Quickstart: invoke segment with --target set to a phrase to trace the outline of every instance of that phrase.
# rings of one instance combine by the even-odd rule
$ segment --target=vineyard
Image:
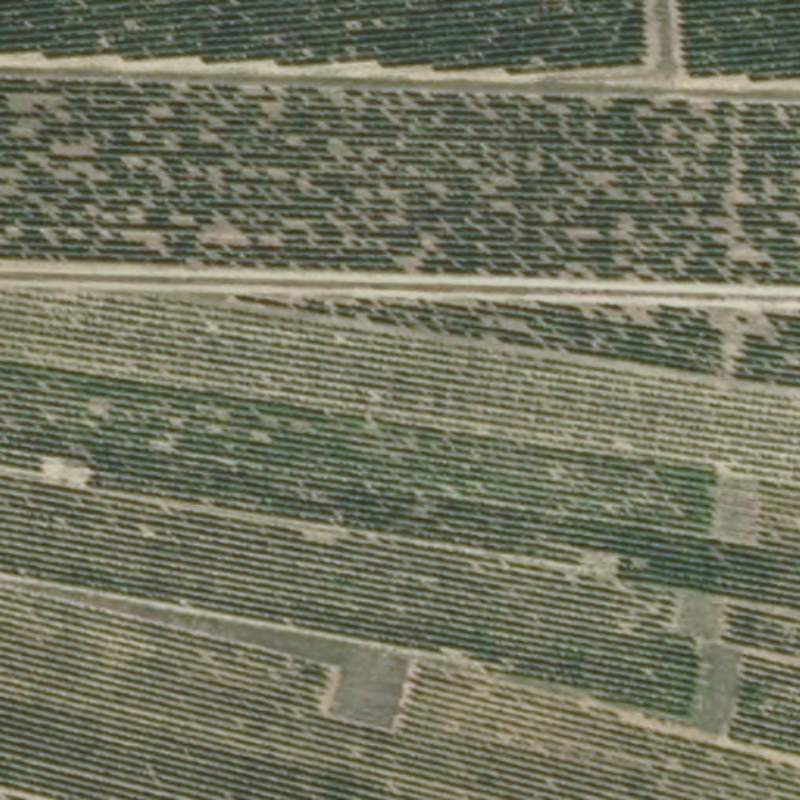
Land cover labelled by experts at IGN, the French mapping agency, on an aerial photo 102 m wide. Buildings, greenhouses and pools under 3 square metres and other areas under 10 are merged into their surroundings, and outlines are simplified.
[[[122,81],[0,78],[0,259],[69,259],[134,266],[184,266],[191,259],[216,269],[350,269],[394,275],[481,272],[525,278],[563,275],[606,281],[634,278],[709,284],[756,281],[800,288],[800,106],[788,106],[788,122],[778,122],[772,106],[759,103],[747,109],[716,103],[713,109],[694,109],[681,100],[663,106],[647,97],[628,97],[600,109],[584,103],[581,97],[559,94],[547,94],[534,103],[528,97],[481,100],[475,94],[466,94],[459,100],[456,94],[425,97],[419,91],[406,91],[416,109],[403,109],[394,91],[372,91],[366,109],[353,109],[334,106],[322,91],[309,84],[294,84],[288,88],[284,113],[275,116],[263,113],[263,106],[275,100],[275,94],[259,94],[259,84],[191,84],[181,94],[181,100],[175,100],[172,84],[163,81],[144,81],[128,88]]]
[[[747,75],[753,81],[800,78],[800,0],[681,0],[688,75]]]
[[[0,53],[125,59],[197,56],[206,63],[272,59],[278,66],[381,63],[431,66],[441,72],[609,69],[638,66],[644,59],[644,0],[0,0]]]
[[[578,309],[569,303],[322,303],[253,294],[128,291],[78,294],[75,300],[66,300],[47,288],[0,291],[0,800],[800,800],[800,313],[703,313],[684,306],[628,309],[619,303],[597,303]]]

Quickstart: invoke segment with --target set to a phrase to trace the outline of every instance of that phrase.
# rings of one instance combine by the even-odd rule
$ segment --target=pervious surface
[[[481,272],[394,275],[350,269],[216,269],[191,259],[184,266],[134,266],[69,259],[0,259],[0,291],[47,288],[66,300],[75,300],[78,294],[128,291],[253,294],[322,303],[569,303],[578,309],[597,303],[619,303],[628,309],[684,306],[703,313],[800,313],[800,288],[756,281],[709,284],[634,278],[606,281],[563,275],[525,278]]]

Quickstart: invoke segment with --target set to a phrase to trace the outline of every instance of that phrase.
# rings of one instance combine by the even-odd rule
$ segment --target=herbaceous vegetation
[[[125,59],[0,53],[0,78],[122,81],[128,88],[144,81],[163,81],[172,84],[175,100],[181,100],[181,94],[191,84],[259,84],[259,94],[275,94],[275,100],[263,106],[263,113],[275,116],[284,113],[288,88],[294,84],[309,84],[322,91],[334,106],[353,109],[366,109],[372,91],[394,91],[403,109],[416,109],[406,91],[419,91],[425,97],[456,94],[459,100],[466,94],[475,94],[481,100],[528,97],[534,103],[547,94],[559,94],[581,97],[584,103],[600,109],[628,97],[647,97],[663,106],[681,100],[694,109],[713,109],[716,103],[747,109],[759,103],[772,106],[778,122],[788,122],[788,106],[800,106],[800,78],[753,81],[747,75],[688,75],[681,0],[644,0],[644,59],[638,66],[609,69],[441,72],[431,66],[381,63],[278,66],[272,59],[206,63],[197,56]]]

